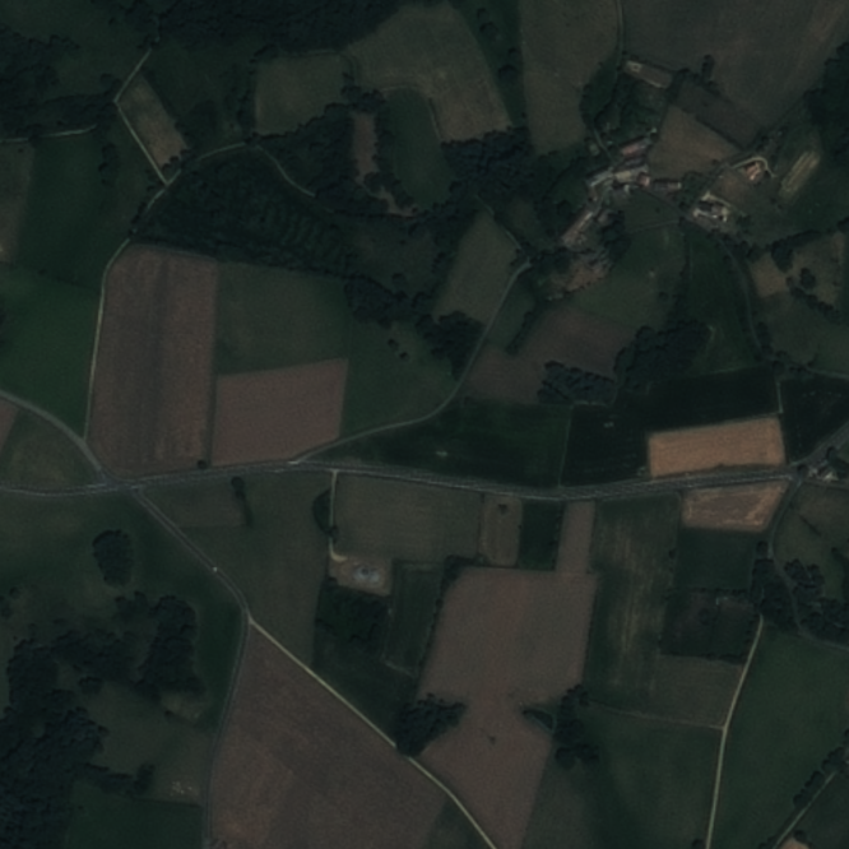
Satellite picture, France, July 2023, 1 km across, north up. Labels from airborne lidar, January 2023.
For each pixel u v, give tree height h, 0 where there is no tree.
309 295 0
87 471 0
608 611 0
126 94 0
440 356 15
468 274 0
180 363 0
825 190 0
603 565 0
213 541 0
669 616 0
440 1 13
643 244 0
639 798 0
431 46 0
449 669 0
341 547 0
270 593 0
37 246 0
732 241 21
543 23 0
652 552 0
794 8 0
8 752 15
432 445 0
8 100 7
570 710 16
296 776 0
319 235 0
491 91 0
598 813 0
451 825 0
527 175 26
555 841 0
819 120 9
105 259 0
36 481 0
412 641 0
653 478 0
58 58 8
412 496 0
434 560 0
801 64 0
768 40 0
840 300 0
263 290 0
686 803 0
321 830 0
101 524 0
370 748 0
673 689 0
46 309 0
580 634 0
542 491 0
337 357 0
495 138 9
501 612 0
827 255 0
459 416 0
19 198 0
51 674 17
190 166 19
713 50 0
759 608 10
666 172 0
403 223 13
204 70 0
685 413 0
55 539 0
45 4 0
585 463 0
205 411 0
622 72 7
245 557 0
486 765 0
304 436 0
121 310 0
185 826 0
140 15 19
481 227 0
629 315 0
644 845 0
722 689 0
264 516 0
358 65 0
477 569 0
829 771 15
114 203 0
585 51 0
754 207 0
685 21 0
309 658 0
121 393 0
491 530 0
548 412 0
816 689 0
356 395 0
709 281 0
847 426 0
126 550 20
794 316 0
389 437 0
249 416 0
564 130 0
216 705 0
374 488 0
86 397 0
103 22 0
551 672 0
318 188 8
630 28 0
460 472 0
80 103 7
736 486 0
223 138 0
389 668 0
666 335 14
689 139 0
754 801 0
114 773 6
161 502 0
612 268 0
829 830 0
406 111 0
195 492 0
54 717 9
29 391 0
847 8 0
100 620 0
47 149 0
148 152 0
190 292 0
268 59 17
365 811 0
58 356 0
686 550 0
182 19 18
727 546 0
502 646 0
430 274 0
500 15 0
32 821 23
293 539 0
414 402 0
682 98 0
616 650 0
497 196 29
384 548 0
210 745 0
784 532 0
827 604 11
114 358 0
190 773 0
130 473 0
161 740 0
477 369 0
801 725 0
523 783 0
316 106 0
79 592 0
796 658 0
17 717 22
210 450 0
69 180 0
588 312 0
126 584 9
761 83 0
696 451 0
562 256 9
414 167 0
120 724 0
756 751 0
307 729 0
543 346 0
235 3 15
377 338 0
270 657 0
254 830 0
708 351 0
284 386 0
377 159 8
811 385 0
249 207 0
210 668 0
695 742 0
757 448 0
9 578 0
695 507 0
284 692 0
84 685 13
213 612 0
